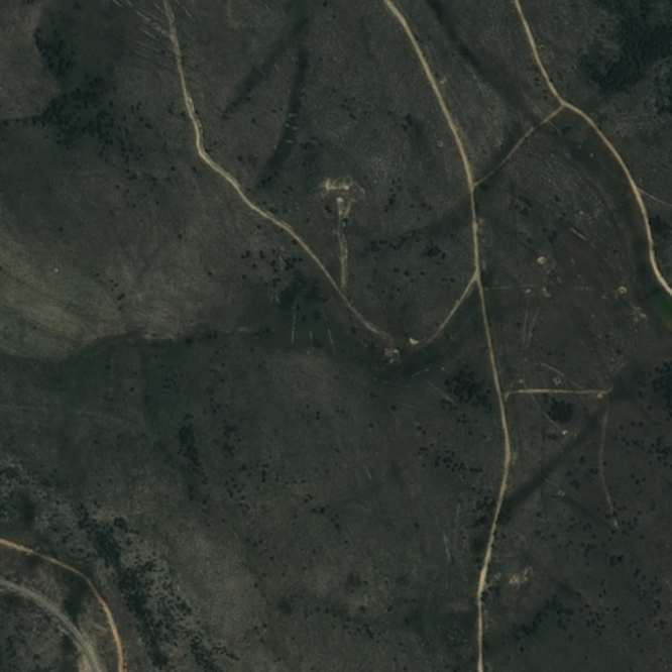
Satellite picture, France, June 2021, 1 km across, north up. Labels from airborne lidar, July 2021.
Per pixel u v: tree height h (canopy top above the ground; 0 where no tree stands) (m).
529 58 0
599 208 0
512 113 0
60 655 0
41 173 0
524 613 0
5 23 0
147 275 0
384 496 0
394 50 0
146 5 0
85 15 0
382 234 0
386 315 0
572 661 0
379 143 0
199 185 0
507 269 0
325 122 0
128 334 0
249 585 0
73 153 0
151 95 0
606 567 0
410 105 0
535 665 0
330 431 0
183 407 0
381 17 0
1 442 0
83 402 0
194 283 0
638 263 0
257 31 0
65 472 0
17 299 0
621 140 0
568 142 0
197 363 0
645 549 0
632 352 0
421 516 0
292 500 0
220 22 0
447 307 0
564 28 0
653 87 0
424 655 0
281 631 0
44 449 0
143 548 0
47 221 0
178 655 0
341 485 0
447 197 0
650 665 0
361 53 0
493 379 0
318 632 0
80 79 0
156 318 0
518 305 0
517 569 0
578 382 0
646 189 0
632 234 0
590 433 0
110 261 0
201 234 0
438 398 0
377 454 0
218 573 0
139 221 0
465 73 0
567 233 0
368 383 0
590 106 0
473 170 0
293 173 0
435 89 0
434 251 6
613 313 0
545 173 0
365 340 0
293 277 0
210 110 0
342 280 0
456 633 0
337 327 0
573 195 0
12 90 0
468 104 0
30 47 0
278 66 0
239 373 0
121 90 0
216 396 0
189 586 0
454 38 0
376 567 0
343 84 0
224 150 0
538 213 0
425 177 0
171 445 0
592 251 0
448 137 0
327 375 0
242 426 0
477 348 0
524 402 0
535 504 0
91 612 0
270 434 0
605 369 0
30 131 0
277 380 0
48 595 0
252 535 0
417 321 0
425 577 0
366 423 0
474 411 0
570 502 0
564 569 0
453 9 0
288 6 0
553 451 0
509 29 0
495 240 0
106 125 6
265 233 0
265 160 0
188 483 0
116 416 0
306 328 0
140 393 0
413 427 0
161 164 0
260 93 0
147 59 0
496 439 0
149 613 7
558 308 0
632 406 0
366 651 0
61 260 0
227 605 0
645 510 0
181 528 0
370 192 0
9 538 0
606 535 0
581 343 0
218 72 0
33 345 0
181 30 0
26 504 0
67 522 0
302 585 0
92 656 0
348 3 0
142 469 0
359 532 0
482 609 0
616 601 0
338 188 0
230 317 0
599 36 0
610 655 0
